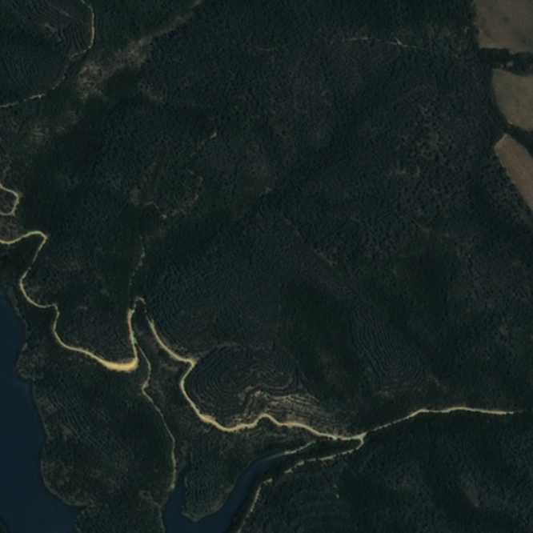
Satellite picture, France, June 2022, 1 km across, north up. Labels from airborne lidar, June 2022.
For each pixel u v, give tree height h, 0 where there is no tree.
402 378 11
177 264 13
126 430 11
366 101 18
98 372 8
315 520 15
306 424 0
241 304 7
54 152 10
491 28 0
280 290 15
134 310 7
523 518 17
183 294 14
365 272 8
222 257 17
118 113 9
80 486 8
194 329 13
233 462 10
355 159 14
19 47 15
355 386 8
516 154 0
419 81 15
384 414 10
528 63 9
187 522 0
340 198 17
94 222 9
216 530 0
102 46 10
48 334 8
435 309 12
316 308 8
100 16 11
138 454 12
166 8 17
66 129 9
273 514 9
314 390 15
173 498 0
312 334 8
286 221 13
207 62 17
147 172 15
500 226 11
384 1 19
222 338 8
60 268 7
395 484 11
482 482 6
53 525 0
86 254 6
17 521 0
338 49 13
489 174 18
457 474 14
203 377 10
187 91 10
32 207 9
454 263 9
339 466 16
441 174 18
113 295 7
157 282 9
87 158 7
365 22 13
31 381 0
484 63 15
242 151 5
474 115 15
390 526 10
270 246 15
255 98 18
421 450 13
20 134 10
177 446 7
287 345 11
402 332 13
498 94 0
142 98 7
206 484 9
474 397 8
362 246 9
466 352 14
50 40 7
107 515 8
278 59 10
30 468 0
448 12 9
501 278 13
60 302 8
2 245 8
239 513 10
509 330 13
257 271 15
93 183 8
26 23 9
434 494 14
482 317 7
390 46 11
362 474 13
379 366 10
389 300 11
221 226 6
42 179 10
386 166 16
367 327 10
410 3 14
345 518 15
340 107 17
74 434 11
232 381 6
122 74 7
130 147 7
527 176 0
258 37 17
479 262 15
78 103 8
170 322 13
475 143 15
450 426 12
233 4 19
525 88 0
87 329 15
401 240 13
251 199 9
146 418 12
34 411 0
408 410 7
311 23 15
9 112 12
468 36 8
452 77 13
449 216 7
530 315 16
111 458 12
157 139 14
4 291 0
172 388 7
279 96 14
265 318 10
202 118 10
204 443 6
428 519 19
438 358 12
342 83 16
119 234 12
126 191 12
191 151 11
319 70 13
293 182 14
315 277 11
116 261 10
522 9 0
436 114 14
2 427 0
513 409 6
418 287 11
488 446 16
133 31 7
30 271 10
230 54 11
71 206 10
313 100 11
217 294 12
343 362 8
